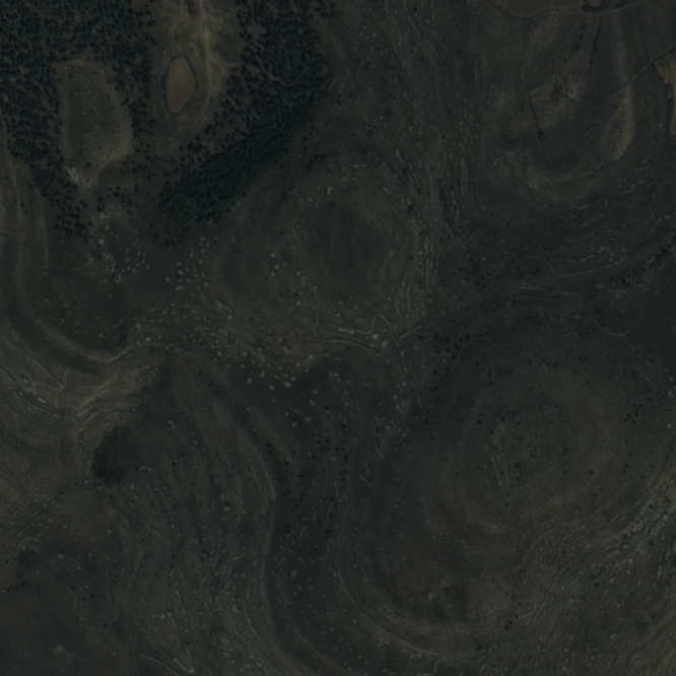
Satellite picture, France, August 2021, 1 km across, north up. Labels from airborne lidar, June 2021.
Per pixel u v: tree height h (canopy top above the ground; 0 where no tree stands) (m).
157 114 0
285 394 0
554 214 0
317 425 0
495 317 0
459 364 0
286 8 8
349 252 0
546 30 0
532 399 0
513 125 0
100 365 0
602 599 0
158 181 0
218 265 0
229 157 12
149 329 0
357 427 0
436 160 0
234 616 0
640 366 0
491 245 0
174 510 0
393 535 0
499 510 0
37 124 9
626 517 0
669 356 0
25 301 0
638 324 0
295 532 0
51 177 7
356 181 0
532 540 0
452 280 0
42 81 9
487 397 0
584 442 0
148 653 0
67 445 0
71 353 0
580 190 0
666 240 0
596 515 0
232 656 0
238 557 0
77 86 0
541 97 0
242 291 0
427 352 0
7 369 0
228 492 0
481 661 0
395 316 0
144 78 7
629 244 0
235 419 0
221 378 0
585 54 0
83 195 0
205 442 0
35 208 0
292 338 0
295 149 0
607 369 0
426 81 0
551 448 0
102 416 0
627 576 0
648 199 0
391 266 0
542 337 0
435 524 0
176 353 0
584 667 0
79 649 0
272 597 0
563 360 0
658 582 0
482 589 0
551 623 0
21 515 0
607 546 0
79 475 0
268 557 0
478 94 0
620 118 0
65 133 0
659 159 0
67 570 0
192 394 0
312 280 0
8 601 0
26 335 0
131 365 0
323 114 0
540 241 0
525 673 0
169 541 0
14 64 10
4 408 0
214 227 0
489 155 0
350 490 0
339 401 0
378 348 0
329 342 0
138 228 0
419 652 0
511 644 0
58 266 0
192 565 0
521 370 0
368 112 0
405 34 0
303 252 0
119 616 0
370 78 0
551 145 0
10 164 0
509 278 0
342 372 0
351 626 0
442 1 0
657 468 0
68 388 0
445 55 0
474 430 0
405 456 0
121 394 0
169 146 0
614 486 0
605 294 0
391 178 0
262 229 0
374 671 0
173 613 0
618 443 0
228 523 0
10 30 10
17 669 0
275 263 0
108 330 0
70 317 0
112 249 0
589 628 0
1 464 0
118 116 0
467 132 0
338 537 0
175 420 0
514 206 0
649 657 0
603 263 0
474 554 0
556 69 0
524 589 0
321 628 0
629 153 0
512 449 0
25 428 0
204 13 0
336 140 0
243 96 11
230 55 0
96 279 0
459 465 0
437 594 0
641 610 0
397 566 0
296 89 10
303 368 0
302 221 0
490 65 0
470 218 0
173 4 0
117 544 0
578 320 0
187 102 0
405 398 0
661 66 0
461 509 0
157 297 0
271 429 0
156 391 0
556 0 0
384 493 0
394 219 0
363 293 0
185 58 0
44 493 0
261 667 0
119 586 0
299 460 0
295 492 0
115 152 0
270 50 13
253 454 0
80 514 0
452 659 0
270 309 0
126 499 0
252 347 0
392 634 0
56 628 0
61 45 9
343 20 0
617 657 0
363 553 0
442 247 0
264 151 7
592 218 0
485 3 0
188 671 0
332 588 0
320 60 8
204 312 0
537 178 0
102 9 9
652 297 0
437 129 0
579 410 0
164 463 0
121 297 0
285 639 0
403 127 0
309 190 0
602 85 0
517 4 0
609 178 0
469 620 0
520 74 0
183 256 0
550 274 0
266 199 0
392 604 0
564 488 0
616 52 0
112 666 0
